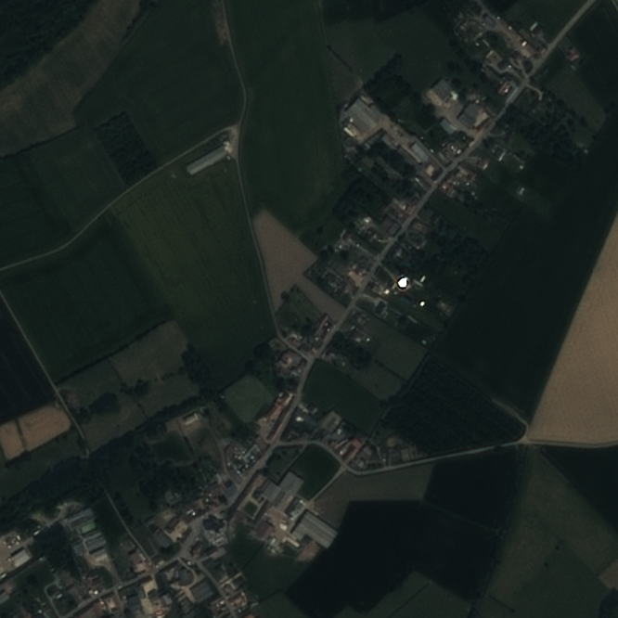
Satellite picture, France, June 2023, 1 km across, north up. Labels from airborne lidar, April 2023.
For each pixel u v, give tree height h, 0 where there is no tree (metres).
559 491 0
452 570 0
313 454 0
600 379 0
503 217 0
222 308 0
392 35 0
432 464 0
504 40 0
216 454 0
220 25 0
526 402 0
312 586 0
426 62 0
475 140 0
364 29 0
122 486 0
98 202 0
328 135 0
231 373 0
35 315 0
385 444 0
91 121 0
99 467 28
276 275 0
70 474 31
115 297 0
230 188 0
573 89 0
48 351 0
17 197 0
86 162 0
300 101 0
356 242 0
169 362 0
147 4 13
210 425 0
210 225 0
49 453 0
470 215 0
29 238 0
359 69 0
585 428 0
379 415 0
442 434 8
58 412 0
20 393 0
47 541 19
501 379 0
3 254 0
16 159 0
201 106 0
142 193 0
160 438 0
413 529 0
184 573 0
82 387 0
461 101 13
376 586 0
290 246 0
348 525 0
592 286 0
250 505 0
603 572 0
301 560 0
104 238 0
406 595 0
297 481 0
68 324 0
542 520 0
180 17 0
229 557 0
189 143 0
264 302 0
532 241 0
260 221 0
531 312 0
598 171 0
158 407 0
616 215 0
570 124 8
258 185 0
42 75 0
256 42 0
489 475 0
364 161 0
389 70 14
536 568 0
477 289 0
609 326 0
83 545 0
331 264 0
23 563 0
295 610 0
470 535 0
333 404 0
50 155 0
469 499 0
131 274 0
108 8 0
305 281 0
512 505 7
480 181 0
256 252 0
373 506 0
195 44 0
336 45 0
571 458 0
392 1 0
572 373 0
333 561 0
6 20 18
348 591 0
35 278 0
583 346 0
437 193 0
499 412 6
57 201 0
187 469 0
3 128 0
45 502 7
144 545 0
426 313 0
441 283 0
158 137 0
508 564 0
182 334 0
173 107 0
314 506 0
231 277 0
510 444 0
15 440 0
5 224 0
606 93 0
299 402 0
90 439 0
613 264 0
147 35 0
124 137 6
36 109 0
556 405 0
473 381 0
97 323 0
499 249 0
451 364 0
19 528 0
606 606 16
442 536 0
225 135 0
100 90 0
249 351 0
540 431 0
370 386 0
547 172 0
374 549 0
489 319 0
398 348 0
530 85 0
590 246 0
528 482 0
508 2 0
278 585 0
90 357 0
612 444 0
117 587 0
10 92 0
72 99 0
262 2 0
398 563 0
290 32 0
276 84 0
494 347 0
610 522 0
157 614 0
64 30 20
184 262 0
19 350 0
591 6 0
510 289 0
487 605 0
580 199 0
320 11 0
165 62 0
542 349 0
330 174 0
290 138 0
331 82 0
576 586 0
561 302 0
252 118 0
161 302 0
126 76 0
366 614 0
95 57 0
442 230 13
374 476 0
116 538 0
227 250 0
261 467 0
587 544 0
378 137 0
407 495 0
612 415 0
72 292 0
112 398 19
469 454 0
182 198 0
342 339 12
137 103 0
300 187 0
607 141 0
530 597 0
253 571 0
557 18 0
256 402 0
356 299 0
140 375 0
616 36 0
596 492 0
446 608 0
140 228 0
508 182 0
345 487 0
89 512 0
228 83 0
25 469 0
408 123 0
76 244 0
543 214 0
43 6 22
